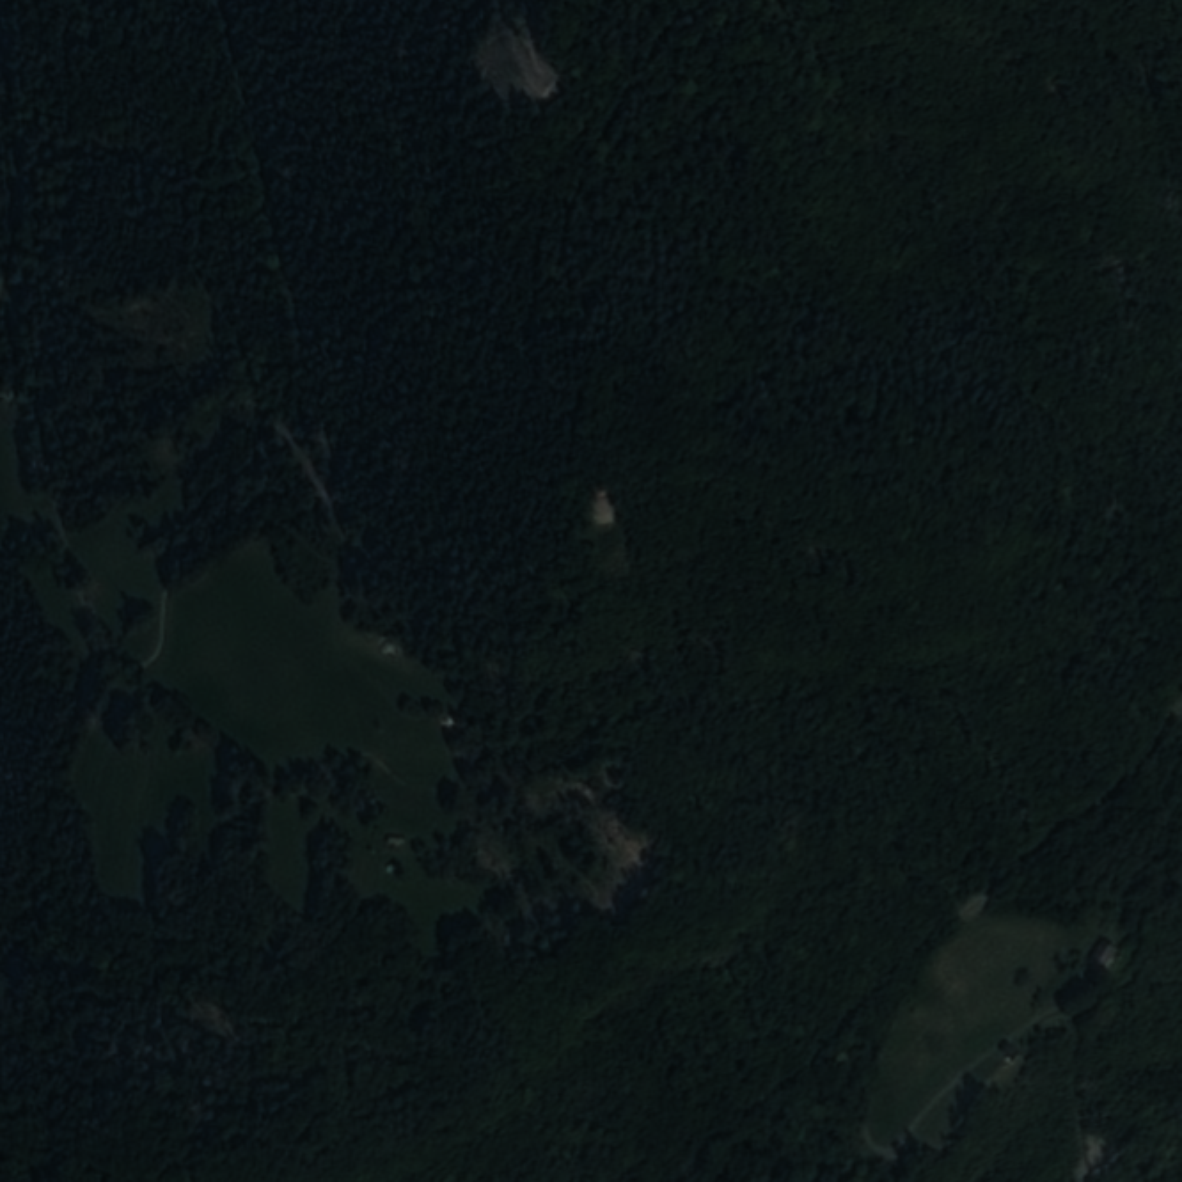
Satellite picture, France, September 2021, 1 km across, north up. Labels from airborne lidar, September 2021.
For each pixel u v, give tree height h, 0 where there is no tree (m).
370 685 0
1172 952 6
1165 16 24
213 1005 33
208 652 0
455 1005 28
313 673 0
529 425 26
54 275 29
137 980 18
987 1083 0
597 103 24
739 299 28
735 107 21
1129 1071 25
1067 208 33
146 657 0
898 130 18
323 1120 28
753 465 24
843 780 29
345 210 19
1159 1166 29
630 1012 23
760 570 27
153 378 8
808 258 25
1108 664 33
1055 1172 21
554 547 22
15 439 0
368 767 12
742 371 24
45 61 43
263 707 0
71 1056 17
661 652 26
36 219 10
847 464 29
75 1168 20
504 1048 36
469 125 22
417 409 25
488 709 28
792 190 23
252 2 25
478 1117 11
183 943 26
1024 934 0
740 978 32
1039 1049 23
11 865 28
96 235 23
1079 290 25
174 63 26
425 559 13
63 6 32
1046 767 32
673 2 21
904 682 30
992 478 32
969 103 22
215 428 0
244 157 28
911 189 24
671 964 11
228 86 30
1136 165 26
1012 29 16
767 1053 33
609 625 25
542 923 28
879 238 23
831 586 31
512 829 15
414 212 24
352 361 26
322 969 31
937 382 34
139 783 0
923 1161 20
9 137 9
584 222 25
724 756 25
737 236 29
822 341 35
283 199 23
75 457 8
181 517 8
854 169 24
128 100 31
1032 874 26
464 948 27
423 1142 27
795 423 18
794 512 27
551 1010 24
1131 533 32
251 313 18
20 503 0
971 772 27
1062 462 34
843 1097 27
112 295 12
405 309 28
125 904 0
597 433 24
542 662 22
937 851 28
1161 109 23
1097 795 26
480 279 32
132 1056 24
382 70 25
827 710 31
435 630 29
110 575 0
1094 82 33
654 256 31
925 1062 0
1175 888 27
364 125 21
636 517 23
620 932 26
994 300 21
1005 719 30
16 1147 25
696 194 31
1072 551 37
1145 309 23
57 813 23
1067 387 32
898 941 30
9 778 25
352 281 25
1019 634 26
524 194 17
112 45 29
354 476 25
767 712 33
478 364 29
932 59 22
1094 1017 17
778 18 15
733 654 21
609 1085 16
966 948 0
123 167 19
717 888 27
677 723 28
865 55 21
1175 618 33
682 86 30
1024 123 24
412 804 0
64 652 19
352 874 14
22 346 21
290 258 21
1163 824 15
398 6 28
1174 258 27
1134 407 24
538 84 0
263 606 0
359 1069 30
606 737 33
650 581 21
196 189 22
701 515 21
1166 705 28
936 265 19
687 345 27
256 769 15
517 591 27
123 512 11
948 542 28
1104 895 17
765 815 22
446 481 25
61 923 22
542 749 29
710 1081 29
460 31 25
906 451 26
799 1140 27
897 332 32
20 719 19
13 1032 24
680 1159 19
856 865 28
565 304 15
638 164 29
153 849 0
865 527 22
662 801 26
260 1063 30
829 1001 22
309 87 33
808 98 25
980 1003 0
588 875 12
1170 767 20
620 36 19
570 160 15
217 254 16
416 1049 30
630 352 22
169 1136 24
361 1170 21
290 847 0
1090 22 36
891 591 22
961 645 22
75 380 21
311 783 29
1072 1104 23
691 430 21
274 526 7
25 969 16
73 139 32
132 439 25
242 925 20
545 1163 24
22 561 19
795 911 25
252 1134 32
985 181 22
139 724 25
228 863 16
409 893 0
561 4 17
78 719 22
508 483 19
